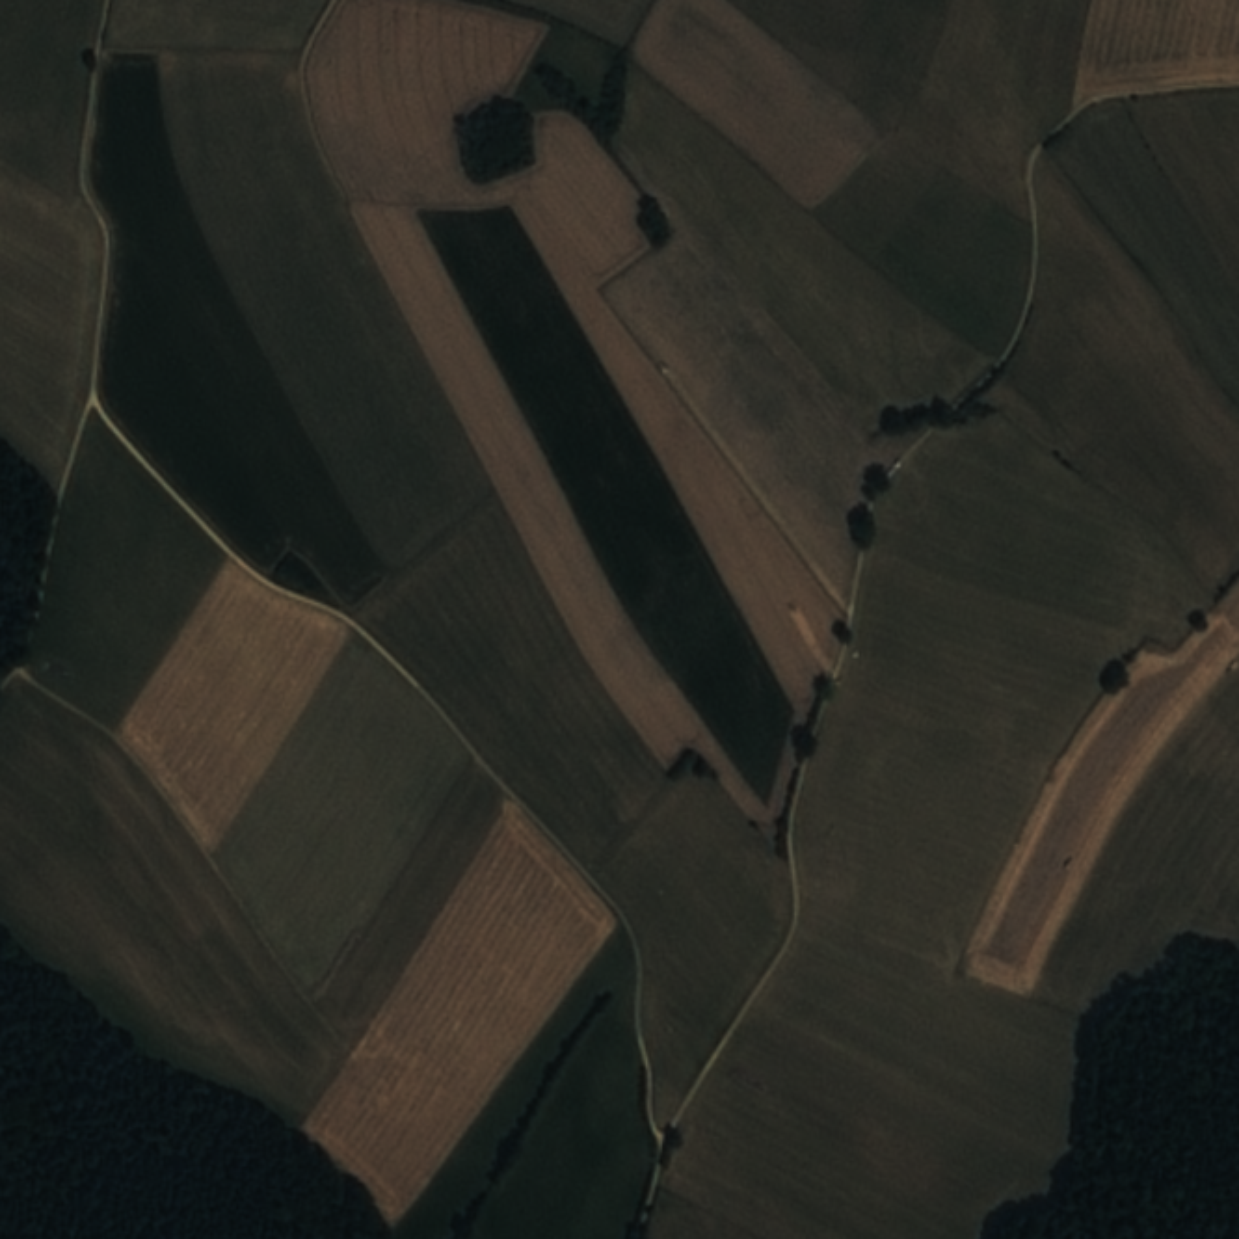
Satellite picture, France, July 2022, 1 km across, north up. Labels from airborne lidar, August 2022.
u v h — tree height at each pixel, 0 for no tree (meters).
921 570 0
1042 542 0
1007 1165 0
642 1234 15
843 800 0
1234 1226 19
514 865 0
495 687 0
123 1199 25
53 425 0
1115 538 0
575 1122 0
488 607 0
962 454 0
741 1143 0
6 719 0
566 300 0
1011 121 0
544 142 0
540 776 0
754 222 0
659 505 0
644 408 0
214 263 0
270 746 0
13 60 0
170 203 0
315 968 0
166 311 0
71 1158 26
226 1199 26
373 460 0
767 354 0
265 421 0
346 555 0
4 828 0
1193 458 0
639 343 0
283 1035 0
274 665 0
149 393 0
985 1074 0
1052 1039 0
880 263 0
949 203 0
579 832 0
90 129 0
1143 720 0
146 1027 0
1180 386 0
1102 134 0
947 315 0
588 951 0
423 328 0
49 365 0
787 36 0
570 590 0
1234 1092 17
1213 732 0
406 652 0
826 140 0
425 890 0
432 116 0
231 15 0
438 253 0
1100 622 0
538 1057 0
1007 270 0
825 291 0
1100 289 0
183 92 0
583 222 0
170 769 0
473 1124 0
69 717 0
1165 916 0
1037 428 0
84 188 0
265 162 0
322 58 0
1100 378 0
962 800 0
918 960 0
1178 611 0
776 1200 0
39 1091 24
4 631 29
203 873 0
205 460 0
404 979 0
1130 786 0
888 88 0
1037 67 0
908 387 0
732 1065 0
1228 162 0
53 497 17
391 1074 0
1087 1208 21
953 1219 0
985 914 0
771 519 0
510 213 0
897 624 0
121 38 0
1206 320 0
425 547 0
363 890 0
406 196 0
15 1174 23
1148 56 0
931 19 0
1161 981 17
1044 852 0
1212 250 0
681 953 0
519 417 0
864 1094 0
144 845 0
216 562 0
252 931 0
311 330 0
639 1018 0
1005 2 0
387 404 0
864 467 0
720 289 0
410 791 0
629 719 0
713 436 0
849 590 0
